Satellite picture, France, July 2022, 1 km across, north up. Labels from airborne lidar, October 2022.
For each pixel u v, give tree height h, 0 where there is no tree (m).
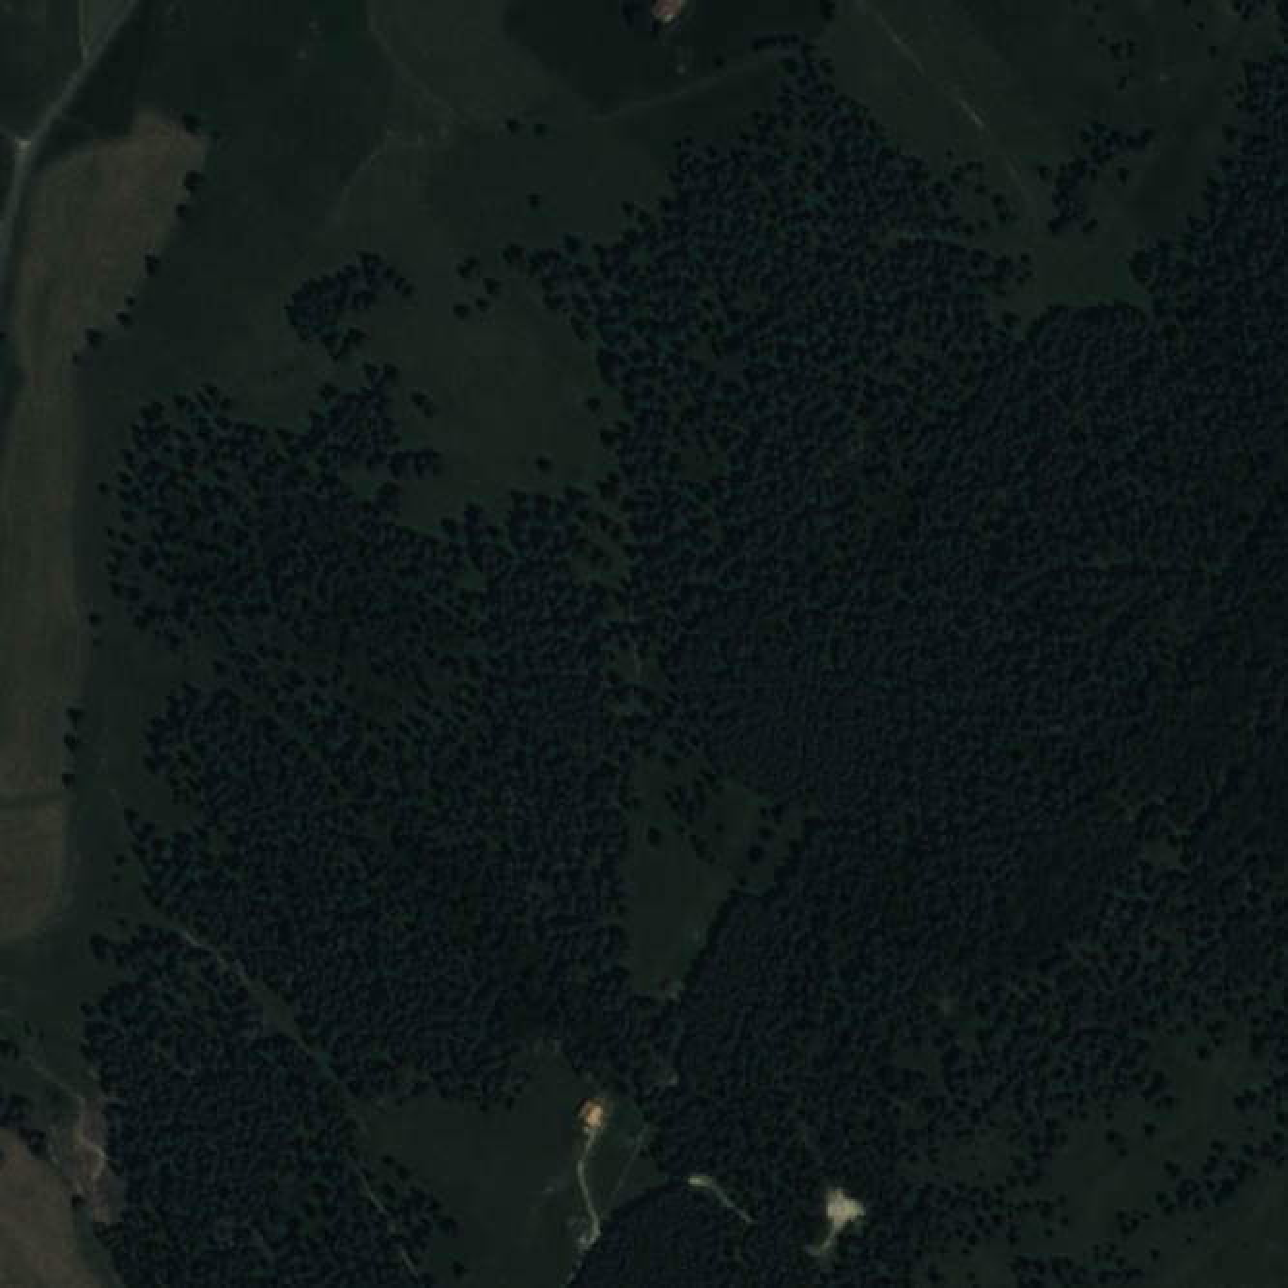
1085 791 15
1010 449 18
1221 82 0
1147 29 0
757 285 24
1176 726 23
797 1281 15
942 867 21
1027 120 0
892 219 28
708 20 0
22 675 0
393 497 22
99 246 0
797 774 22
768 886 0
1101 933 24
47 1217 0
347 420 22
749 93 0
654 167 0
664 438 14
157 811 0
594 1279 21
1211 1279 0
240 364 0
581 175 0
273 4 0
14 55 0
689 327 23
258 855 25
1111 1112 6
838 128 20
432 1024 24
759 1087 11
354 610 6
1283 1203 0
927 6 0
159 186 0
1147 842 23
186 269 0
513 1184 0
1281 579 15
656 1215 22
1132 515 27
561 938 19
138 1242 14
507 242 0
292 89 0
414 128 0
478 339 0
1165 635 11
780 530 26
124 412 0
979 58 0
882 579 24
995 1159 0
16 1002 0
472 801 19
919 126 0
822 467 25
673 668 21
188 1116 28
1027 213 0
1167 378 23
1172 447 23
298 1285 22
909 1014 14
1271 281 23
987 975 7
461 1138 0
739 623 19
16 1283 0
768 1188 22
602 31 0
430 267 0
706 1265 13
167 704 0
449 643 8
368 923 28
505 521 0
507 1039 23
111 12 0
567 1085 0
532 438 0
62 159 0
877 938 23
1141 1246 0
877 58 0
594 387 0
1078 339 12
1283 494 13
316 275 0
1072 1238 0
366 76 0
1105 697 26
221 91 0
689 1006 18
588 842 9
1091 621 16
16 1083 0
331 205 0
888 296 26
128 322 17
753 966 23
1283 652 21
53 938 0
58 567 0
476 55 0
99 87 0
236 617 23
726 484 13
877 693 26
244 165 0
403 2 0
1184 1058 0
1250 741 29
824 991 19
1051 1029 12
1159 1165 0
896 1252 16
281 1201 26
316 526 9
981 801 25
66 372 0
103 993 0
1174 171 0
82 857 0
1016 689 19
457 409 0
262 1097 28
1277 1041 24
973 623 28
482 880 11
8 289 0
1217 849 13
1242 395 18
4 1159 0
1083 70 0
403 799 20
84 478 0
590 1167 0
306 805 24
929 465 8
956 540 18
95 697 0
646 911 0
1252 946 16
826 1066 9
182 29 0
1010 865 21
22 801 0
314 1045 24
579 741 23
